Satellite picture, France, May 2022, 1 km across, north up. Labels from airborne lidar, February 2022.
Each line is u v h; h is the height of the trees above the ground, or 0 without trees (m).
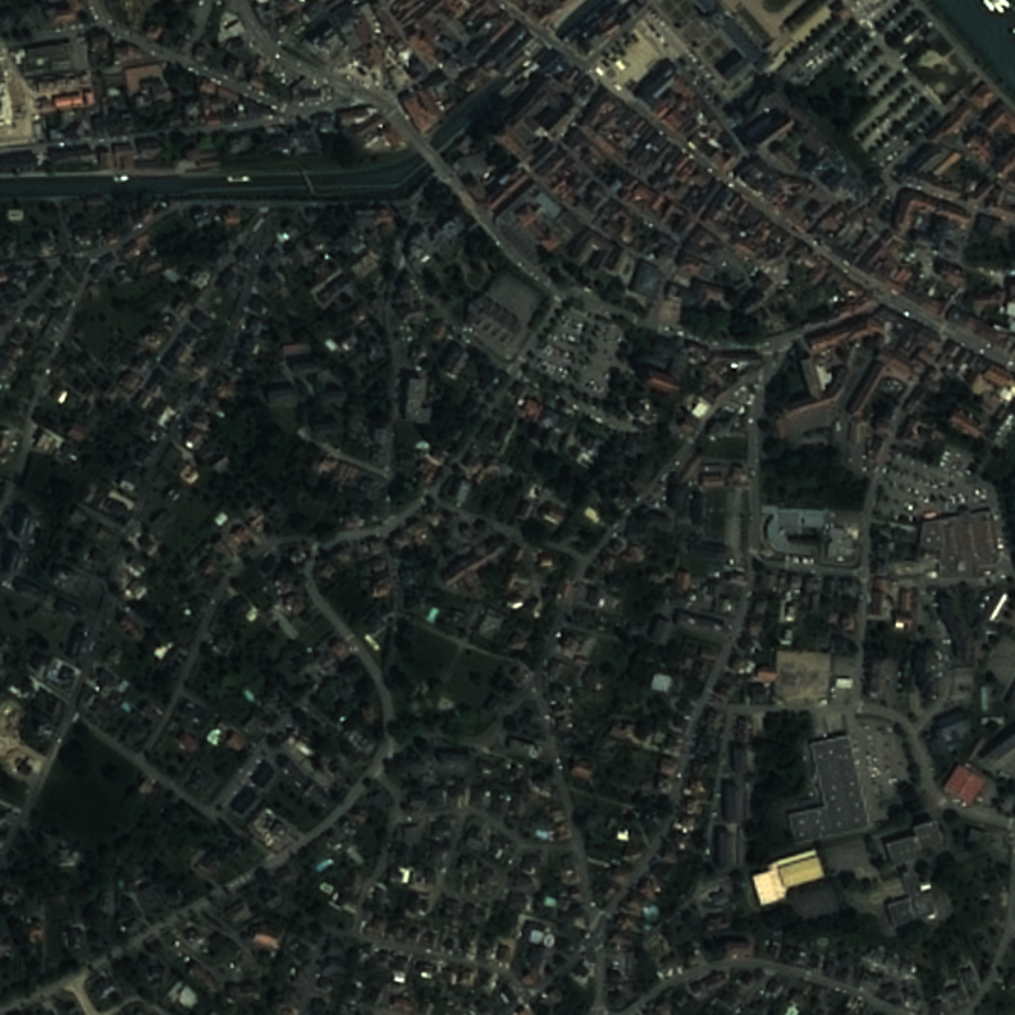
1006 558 0
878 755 0
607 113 0
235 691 8
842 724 0
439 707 0
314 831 0
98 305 0
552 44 0
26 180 0
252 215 0
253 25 0
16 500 0
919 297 0
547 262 18
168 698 10
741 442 0
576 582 0
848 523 0
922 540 0
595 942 0
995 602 0
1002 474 0
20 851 6
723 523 0
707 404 0
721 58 0
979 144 0
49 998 0
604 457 15
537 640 10
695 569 0
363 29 0
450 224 0
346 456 0
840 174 0
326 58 0
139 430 0
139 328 0
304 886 7
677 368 0
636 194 0
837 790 0
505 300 0
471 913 0
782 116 0
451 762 0
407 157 0
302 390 10
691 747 0
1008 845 0
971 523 0
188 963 0
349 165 12
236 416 16
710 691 0
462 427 16
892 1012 0
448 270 7
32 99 0
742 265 0
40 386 0
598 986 0
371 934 0
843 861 0
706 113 0
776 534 0
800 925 16
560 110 0
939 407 12
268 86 6
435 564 7
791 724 9
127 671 0
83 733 15
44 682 0
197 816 7
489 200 0
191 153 0
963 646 0
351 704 8
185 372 0
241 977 0
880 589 0
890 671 0
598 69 0
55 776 0
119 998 13
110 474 0
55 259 0
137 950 0
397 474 0
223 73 0
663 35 0
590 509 0
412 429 0
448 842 11
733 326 18
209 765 0
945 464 0
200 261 7
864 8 0
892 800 0
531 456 0
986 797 0
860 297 0
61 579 0
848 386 0
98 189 0
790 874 0
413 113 0
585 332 5
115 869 8
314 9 0
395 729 13
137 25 0
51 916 0
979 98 0
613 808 0
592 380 0
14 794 13
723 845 0
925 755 0
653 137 0
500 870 0
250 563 18
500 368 0
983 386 0
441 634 0
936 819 0
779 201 0
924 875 11
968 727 0
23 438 0
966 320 0
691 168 0
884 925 0
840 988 0
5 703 0
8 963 9
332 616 0
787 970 0
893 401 13
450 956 0
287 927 7
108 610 0
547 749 0
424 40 0
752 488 0
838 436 0
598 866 0
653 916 0
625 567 0
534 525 16
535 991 0
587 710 0
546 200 0
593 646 0
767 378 0
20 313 0
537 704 0
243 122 0
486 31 0
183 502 0
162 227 0
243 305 0
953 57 0
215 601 0
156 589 0
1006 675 0
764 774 7
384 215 0
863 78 0
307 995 0
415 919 0
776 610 0
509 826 12
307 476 7
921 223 0
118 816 0
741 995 0
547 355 0
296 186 0
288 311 0
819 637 0
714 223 0
